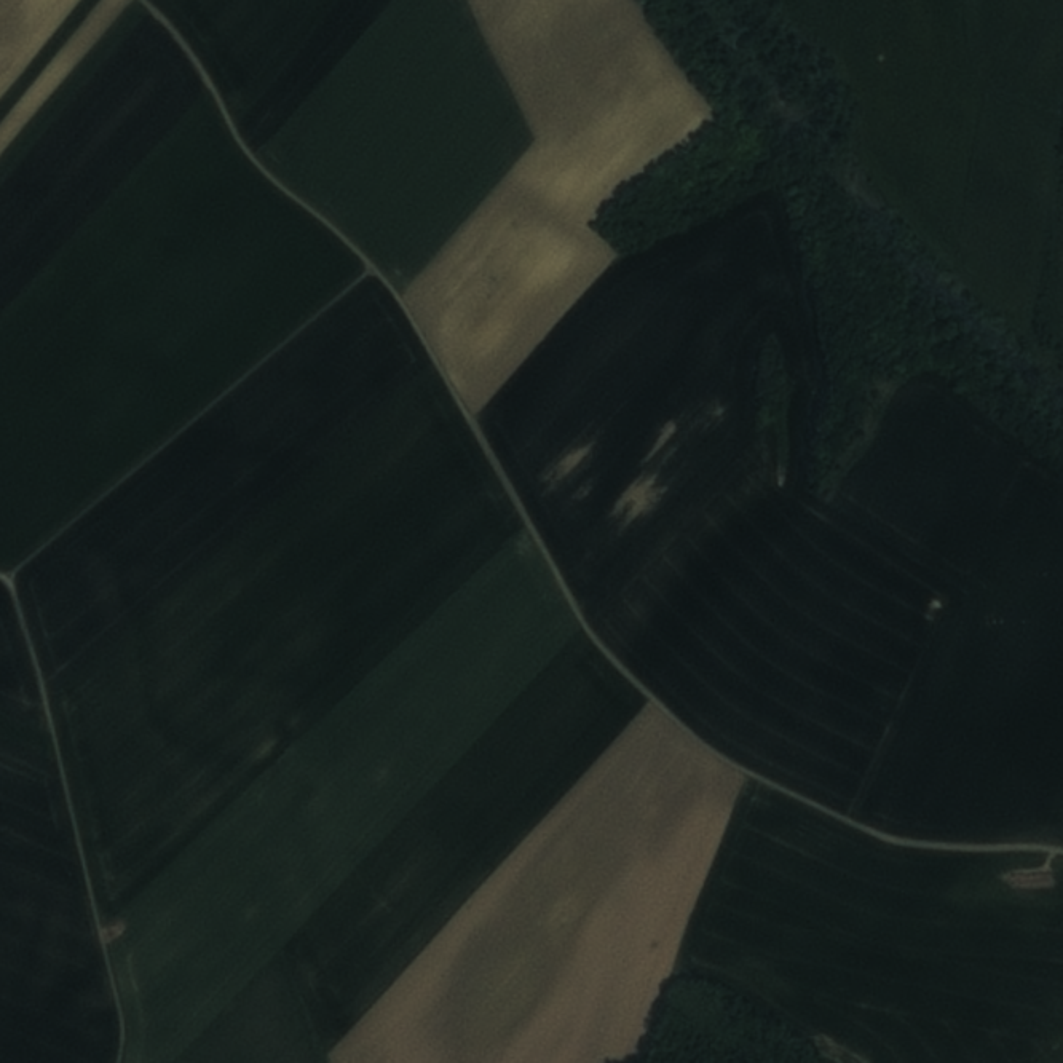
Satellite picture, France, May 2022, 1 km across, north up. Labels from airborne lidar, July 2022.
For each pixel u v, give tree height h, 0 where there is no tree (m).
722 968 0
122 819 0
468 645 0
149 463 0
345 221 0
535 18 0
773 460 0
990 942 0
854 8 0
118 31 0
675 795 0
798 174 20
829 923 0
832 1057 0
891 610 0
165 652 0
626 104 0
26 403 0
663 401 0
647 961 0
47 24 0
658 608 0
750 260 0
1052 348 11
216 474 0
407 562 0
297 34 0
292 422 0
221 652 0
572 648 0
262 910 0
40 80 0
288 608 0
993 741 0
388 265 0
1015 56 0
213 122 0
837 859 0
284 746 0
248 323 0
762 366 8
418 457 0
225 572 0
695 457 0
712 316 0
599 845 0
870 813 0
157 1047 0
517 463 0
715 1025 20
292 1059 0
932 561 0
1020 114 0
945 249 0
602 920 0
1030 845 0
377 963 0
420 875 0
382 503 0
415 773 0
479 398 0
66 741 0
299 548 0
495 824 0
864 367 20
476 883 0
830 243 16
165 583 0
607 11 0
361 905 0
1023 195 0
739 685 0
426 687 0
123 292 0
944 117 0
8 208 0
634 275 0
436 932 0
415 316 0
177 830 0
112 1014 0
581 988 0
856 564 0
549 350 0
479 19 0
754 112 34
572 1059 0
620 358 0
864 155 0
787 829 0
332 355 0
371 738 0
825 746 0
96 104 0
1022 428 25
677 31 15
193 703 0
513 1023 0
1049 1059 0
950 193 0
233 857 0
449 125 0
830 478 8
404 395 0
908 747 0
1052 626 0
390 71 0
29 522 0
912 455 0
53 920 0
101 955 0
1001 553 0
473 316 0
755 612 0
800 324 0
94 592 0
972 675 0
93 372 0
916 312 25
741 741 0
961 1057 0
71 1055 0
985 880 0
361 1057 0
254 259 0
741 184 17
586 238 0
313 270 0
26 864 0
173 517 0
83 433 0
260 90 0
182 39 0
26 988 0
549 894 0
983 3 0
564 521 0
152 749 0
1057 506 0
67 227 0
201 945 0
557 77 0
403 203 0
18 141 0
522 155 0
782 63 17
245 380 0
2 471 0
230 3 0
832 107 25
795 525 0
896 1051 0
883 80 0
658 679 0
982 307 12
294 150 0
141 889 0
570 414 0
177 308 0
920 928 0
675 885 0
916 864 0
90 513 0
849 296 23
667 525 0
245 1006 0
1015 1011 0
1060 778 0
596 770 0
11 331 0
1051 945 0
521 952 0
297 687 0
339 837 0
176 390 0
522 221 0
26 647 0
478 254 0
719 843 0
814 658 0
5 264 0
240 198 0
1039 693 0
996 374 26
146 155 0
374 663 0
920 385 0
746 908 0
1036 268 0
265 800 0
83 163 0
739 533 0
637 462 0
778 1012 0
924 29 0
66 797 0
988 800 0
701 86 13
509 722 0
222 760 0
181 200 0
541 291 0
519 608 0
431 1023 0
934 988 0
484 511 0
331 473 0
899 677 0
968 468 0
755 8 19
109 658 0
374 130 0
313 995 0
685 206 15
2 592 0
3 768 0
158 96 0
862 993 0
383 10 0
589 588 0
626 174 0
